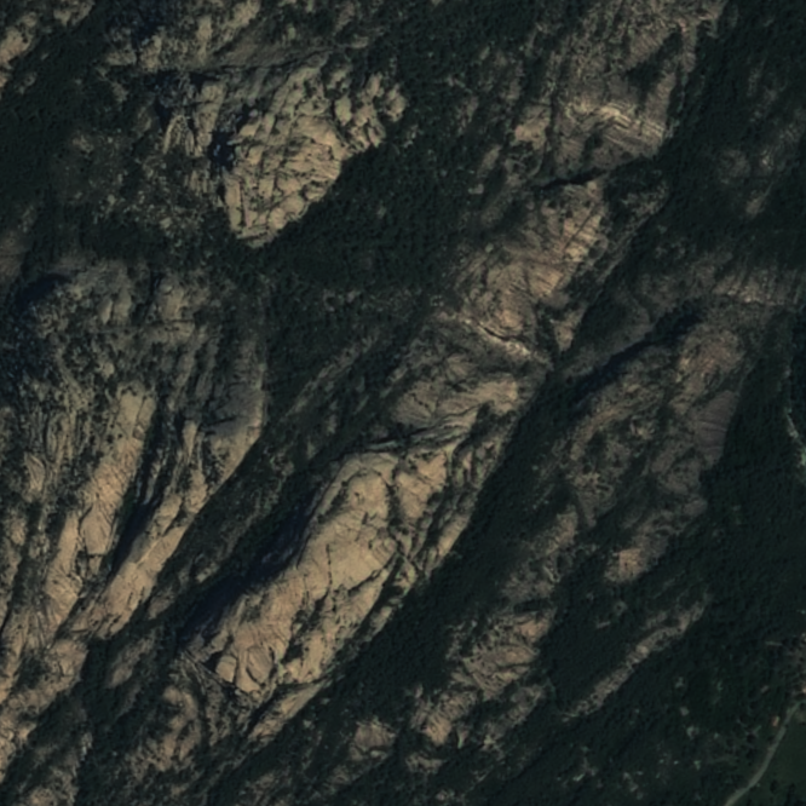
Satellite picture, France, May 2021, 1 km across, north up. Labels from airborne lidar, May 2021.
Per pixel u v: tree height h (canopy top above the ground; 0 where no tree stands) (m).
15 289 11
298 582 0
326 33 17
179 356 10
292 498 17
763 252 11
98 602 15
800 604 7
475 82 13
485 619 9
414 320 12
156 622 7
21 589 7
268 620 0
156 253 24
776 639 22
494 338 0
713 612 28
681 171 17
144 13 17
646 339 16
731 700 12
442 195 16
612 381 15
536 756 6
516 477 22
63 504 12
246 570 7
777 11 8
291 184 0
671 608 10
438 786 9
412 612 16
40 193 18
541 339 7
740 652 21
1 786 23
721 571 17
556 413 17
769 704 9
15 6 11
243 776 16
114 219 18
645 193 7
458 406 0
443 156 14
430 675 14
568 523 0
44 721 22
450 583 19
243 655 0
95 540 0
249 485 15
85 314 15
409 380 13
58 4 11
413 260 23
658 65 7
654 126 0
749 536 28
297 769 15
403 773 18
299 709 6
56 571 0
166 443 9
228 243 19
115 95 13
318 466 15
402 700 15
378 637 19
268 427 11
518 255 0
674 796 18
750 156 19
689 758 15
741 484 22
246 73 8
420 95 23
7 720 0
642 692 22
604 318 19
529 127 0
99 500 0
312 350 11
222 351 12
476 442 19
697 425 0
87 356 10
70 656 0
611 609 19
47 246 15
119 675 0
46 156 11
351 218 21
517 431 6
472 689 10
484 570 14
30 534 9
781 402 14
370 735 0
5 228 11
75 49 17
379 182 15
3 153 14
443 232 6
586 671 19
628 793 8
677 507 9
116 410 0
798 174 22
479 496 11
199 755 16
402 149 12
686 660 13
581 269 10
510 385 0
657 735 20
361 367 8
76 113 11
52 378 13
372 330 17
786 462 22
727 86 18
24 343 11
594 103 0
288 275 22
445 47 16
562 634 24
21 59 15
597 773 7
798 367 15
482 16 17
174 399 8
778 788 16
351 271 23
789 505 20
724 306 8
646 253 17
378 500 0
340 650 17
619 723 17
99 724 13
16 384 12
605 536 16
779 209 7
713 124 27
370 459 0
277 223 0
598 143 14
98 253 18
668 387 9
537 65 21
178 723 0
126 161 14
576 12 13
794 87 6
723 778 9
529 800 9
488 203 15
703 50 22
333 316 25
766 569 16
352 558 0
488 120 14
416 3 17
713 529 6
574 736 23
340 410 12
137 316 20
